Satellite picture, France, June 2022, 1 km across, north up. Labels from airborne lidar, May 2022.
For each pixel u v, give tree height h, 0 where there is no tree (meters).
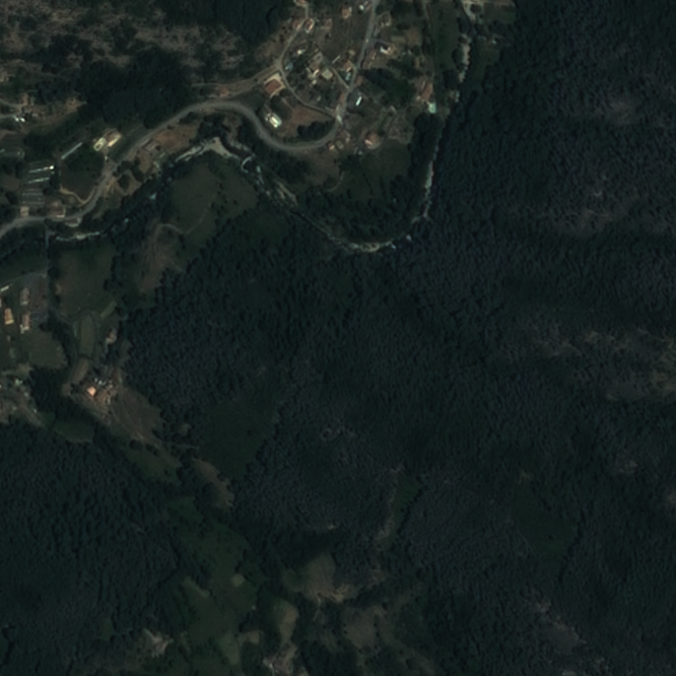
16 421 9
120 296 0
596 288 15
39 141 13
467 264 23
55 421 7
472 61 17
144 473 12
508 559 20
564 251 24
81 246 13
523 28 24
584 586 24
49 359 0
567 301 10
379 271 20
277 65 0
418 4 12
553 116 6
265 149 9
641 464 10
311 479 20
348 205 12
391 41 0
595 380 12
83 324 0
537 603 6
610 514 19
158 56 14
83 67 14
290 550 13
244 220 20
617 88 14
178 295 11
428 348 24
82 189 0
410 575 8
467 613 17
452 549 26
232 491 14
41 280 0
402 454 17
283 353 12
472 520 19
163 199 18
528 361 18
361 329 25
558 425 19
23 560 41
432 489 20
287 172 15
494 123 18
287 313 7
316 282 10
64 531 44
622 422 22
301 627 15
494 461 20
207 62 7
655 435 18
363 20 0
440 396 20
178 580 31
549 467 15
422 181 40
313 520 19
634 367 12
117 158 0
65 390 0
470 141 38
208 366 21
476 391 27
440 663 8
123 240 17
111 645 9
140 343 19
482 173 39
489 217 23
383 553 8
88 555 43
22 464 24
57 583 34
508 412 24
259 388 7
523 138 41
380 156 0
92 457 36
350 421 16
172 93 14
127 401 0
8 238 13
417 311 21
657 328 8
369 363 22
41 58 18
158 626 11
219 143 0
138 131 0
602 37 14
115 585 19
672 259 10
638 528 21
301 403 16
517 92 30
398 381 23
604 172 9
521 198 31
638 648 16
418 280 21
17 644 25
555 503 18
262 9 29
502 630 8
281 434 21
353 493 19
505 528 13
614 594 28
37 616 17
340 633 8
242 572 21
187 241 21
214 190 0
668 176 17
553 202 13
